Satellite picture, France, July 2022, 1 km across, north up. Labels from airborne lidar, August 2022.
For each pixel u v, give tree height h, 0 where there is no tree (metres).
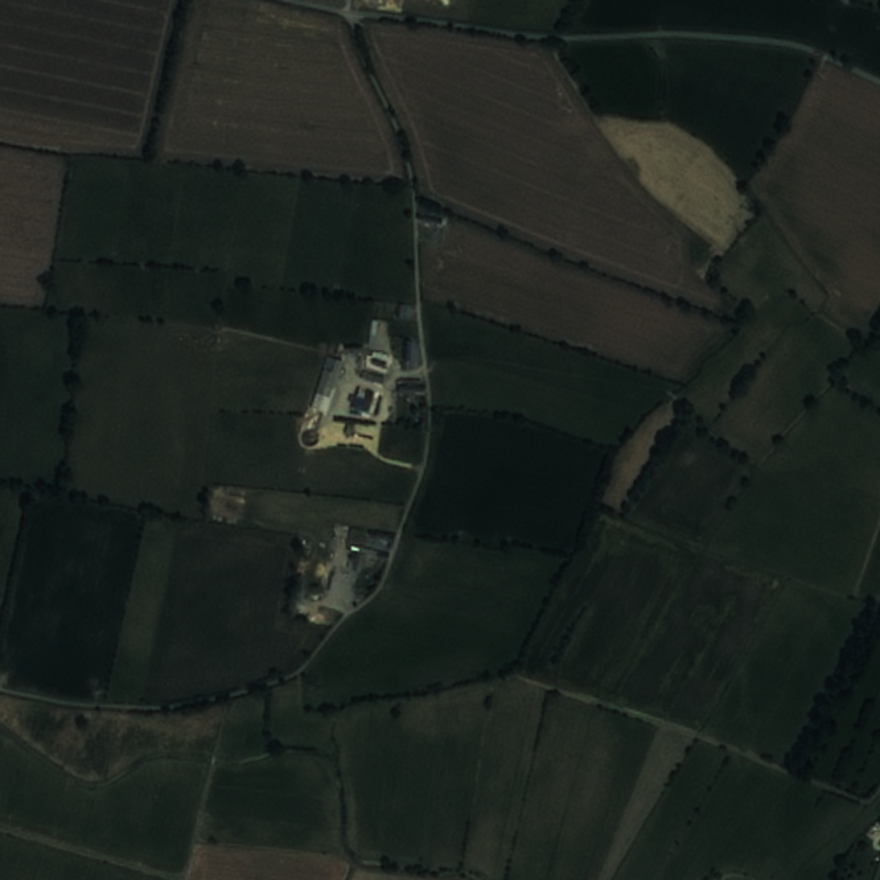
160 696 0
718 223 0
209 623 0
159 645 0
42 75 0
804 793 0
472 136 0
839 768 9
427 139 0
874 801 0
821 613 0
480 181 0
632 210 0
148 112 0
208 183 0
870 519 0
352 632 0
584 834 0
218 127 0
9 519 0
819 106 0
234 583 0
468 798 0
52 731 0
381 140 0
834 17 0
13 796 0
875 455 0
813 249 0
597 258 0
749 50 0
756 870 0
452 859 0
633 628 0
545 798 0
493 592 0
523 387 0
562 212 0
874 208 0
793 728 0
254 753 0
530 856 0
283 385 0
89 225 0
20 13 0
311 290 16
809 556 0
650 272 0
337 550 0
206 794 0
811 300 0
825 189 0
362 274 0
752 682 0
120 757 0
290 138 0
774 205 0
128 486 0
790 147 0
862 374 0
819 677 0
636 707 0
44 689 0
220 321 0
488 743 0
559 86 0
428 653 0
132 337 0
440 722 0
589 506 7
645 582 0
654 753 0
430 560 0
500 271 0
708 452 0
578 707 0
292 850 0
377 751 0
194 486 0
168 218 0
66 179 7
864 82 0
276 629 0
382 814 0
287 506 0
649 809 0
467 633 0
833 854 0
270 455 0
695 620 0
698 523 0
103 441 0
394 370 0
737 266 0
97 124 0
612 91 0
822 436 0
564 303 0
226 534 0
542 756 0
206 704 10
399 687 0
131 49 0
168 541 0
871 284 0
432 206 17
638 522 0
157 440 0
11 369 0
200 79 0
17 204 0
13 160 0
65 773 0
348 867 0
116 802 0
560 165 0
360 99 0
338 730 0
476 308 0
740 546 0
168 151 0
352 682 0
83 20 0
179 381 0
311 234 0
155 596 0
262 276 0
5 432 0
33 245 0
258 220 0
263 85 0
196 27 0
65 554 0
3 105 0
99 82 0
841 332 0
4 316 0
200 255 0
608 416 0
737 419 0
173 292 0
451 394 0
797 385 0
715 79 0
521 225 0
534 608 0
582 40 0
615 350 0
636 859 0
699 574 0
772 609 0
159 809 0
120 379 0
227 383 0
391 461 0
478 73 0
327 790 0
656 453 15
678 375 0
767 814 0
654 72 0
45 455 0
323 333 0
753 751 0
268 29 0
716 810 0
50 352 0
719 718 0
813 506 0
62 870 0
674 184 0
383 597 0
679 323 0
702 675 0
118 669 0
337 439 0
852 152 0
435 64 0
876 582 0
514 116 0
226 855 0
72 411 19
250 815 0
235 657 0
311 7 0
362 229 0
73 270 0
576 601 0
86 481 0
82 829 0
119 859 0
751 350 0
